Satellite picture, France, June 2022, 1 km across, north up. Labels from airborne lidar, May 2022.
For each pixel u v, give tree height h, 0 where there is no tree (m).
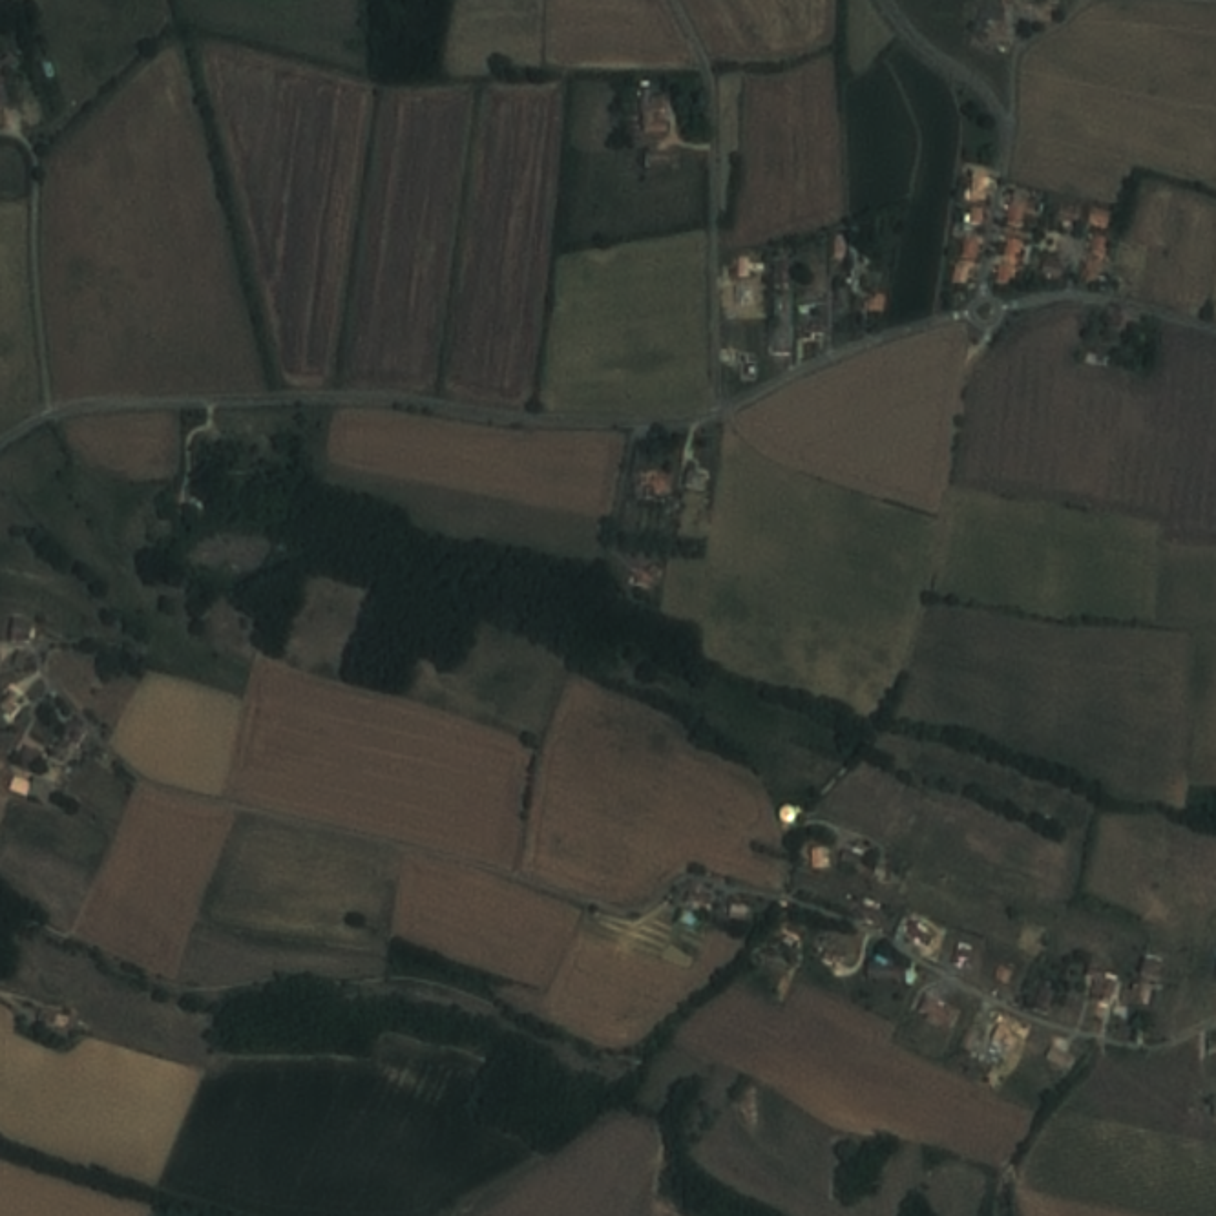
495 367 0
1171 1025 0
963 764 0
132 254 0
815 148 0
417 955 9
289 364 0
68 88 0
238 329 0
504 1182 0
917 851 0
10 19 20
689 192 0
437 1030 16
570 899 0
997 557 0
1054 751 0
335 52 0
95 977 0
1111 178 0
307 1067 0
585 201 0
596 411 0
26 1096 0
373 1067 0
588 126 0
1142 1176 0
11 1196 0
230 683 0
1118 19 0
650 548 11
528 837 0
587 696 0
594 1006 0
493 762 0
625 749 0
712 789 0
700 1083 8
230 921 0
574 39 0
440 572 21
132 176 0
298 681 0
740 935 13
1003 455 0
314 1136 0
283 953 0
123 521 0
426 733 0
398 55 12
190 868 0
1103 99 0
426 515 0
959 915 0
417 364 0
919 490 0
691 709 15
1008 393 0
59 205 0
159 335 0
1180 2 0
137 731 0
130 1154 0
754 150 0
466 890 0
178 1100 0
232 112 0
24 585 0
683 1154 7
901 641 0
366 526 18
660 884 0
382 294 0
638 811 0
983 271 0
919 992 0
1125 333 12
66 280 0
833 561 0
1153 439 0
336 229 0
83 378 0
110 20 0
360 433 0
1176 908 0
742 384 0
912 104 0
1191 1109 0
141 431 0
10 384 0
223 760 0
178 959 0
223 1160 0
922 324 0
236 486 11
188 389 0
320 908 0
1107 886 0
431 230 0
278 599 15
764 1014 0
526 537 0
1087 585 0
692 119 13
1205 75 0
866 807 0
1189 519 0
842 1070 0
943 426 0
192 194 0
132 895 0
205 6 0
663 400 0
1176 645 0
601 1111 15
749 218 0
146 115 0
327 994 7
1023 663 0
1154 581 0
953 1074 0
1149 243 0
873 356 0
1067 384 0
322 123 0
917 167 0
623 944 0
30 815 0
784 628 0
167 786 0
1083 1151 0
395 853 0
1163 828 0
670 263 0
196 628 11
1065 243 0
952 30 0
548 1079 7
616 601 15
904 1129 0
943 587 0
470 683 0
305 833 0
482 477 0
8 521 0
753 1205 13
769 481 0
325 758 0
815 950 6
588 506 0
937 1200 0
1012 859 0
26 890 0
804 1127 0
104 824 0
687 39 0
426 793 0
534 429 0
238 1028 11
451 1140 0
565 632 17
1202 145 0
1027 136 0
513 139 0
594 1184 0
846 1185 9
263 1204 0
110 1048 0
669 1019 9
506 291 0
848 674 0
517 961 0
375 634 16
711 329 0
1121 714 0
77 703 0
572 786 0
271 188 0
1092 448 0
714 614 0
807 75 0
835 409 0
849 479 0
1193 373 0
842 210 0
